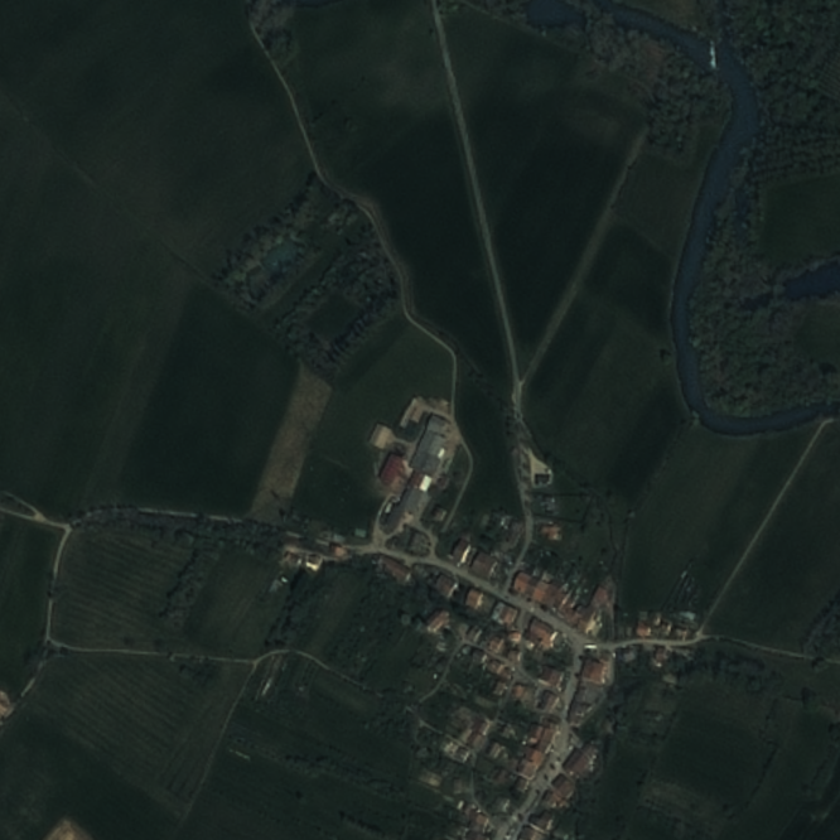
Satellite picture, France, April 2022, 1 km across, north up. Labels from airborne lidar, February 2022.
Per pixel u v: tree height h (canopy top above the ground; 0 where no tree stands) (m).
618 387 0
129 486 0
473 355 0
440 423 0
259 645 0
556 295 0
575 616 0
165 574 0
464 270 0
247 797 0
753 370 8
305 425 0
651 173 0
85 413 0
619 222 0
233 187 0
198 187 0
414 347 0
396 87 0
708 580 0
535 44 0
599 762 0
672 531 0
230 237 0
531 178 0
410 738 6
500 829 0
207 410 0
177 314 0
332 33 0
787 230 0
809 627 0
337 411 0
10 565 0
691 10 0
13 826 0
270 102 0
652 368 0
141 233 0
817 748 0
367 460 0
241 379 0
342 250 0
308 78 0
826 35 22
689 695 0
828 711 0
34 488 0
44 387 0
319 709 0
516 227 0
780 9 31
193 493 0
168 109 0
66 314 0
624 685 0
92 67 0
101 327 0
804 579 0
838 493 0
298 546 0
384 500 0
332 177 0
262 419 0
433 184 0
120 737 0
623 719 14
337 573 12
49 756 0
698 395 0
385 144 0
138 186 0
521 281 0
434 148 0
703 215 0
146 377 0
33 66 0
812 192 0
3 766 0
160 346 0
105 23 0
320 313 0
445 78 0
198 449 0
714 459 0
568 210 0
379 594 7
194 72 0
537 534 0
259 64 0
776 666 0
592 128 0
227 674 0
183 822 0
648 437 0
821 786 7
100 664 0
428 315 0
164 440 0
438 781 0
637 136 0
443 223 0
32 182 0
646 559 0
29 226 0
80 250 0
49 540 0
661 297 0
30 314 0
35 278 0
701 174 0
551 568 0
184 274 0
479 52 0
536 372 0
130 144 0
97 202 0
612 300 0
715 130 0
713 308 10
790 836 0
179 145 0
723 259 8
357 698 0
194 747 0
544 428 0
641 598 0
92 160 0
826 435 0
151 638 0
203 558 14
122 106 0
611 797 0
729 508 0
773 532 0
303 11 0
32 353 0
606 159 0
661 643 0
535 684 0
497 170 0
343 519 0
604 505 8
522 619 0
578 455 0
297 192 0
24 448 0
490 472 0
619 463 0
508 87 0
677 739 0
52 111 0
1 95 0
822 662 11
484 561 0
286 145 0
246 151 0
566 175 0
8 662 0
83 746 0
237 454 0
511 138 0
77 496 0
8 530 0
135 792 0
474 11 0
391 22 0
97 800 0
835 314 0
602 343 0
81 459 0
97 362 0
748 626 0
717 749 0
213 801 0
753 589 0
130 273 0
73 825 0
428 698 0
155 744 0
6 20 0
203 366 0
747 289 15
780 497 0
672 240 0
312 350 6
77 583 0
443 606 7
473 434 0
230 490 0
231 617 0
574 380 0
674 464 0
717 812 0
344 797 0
